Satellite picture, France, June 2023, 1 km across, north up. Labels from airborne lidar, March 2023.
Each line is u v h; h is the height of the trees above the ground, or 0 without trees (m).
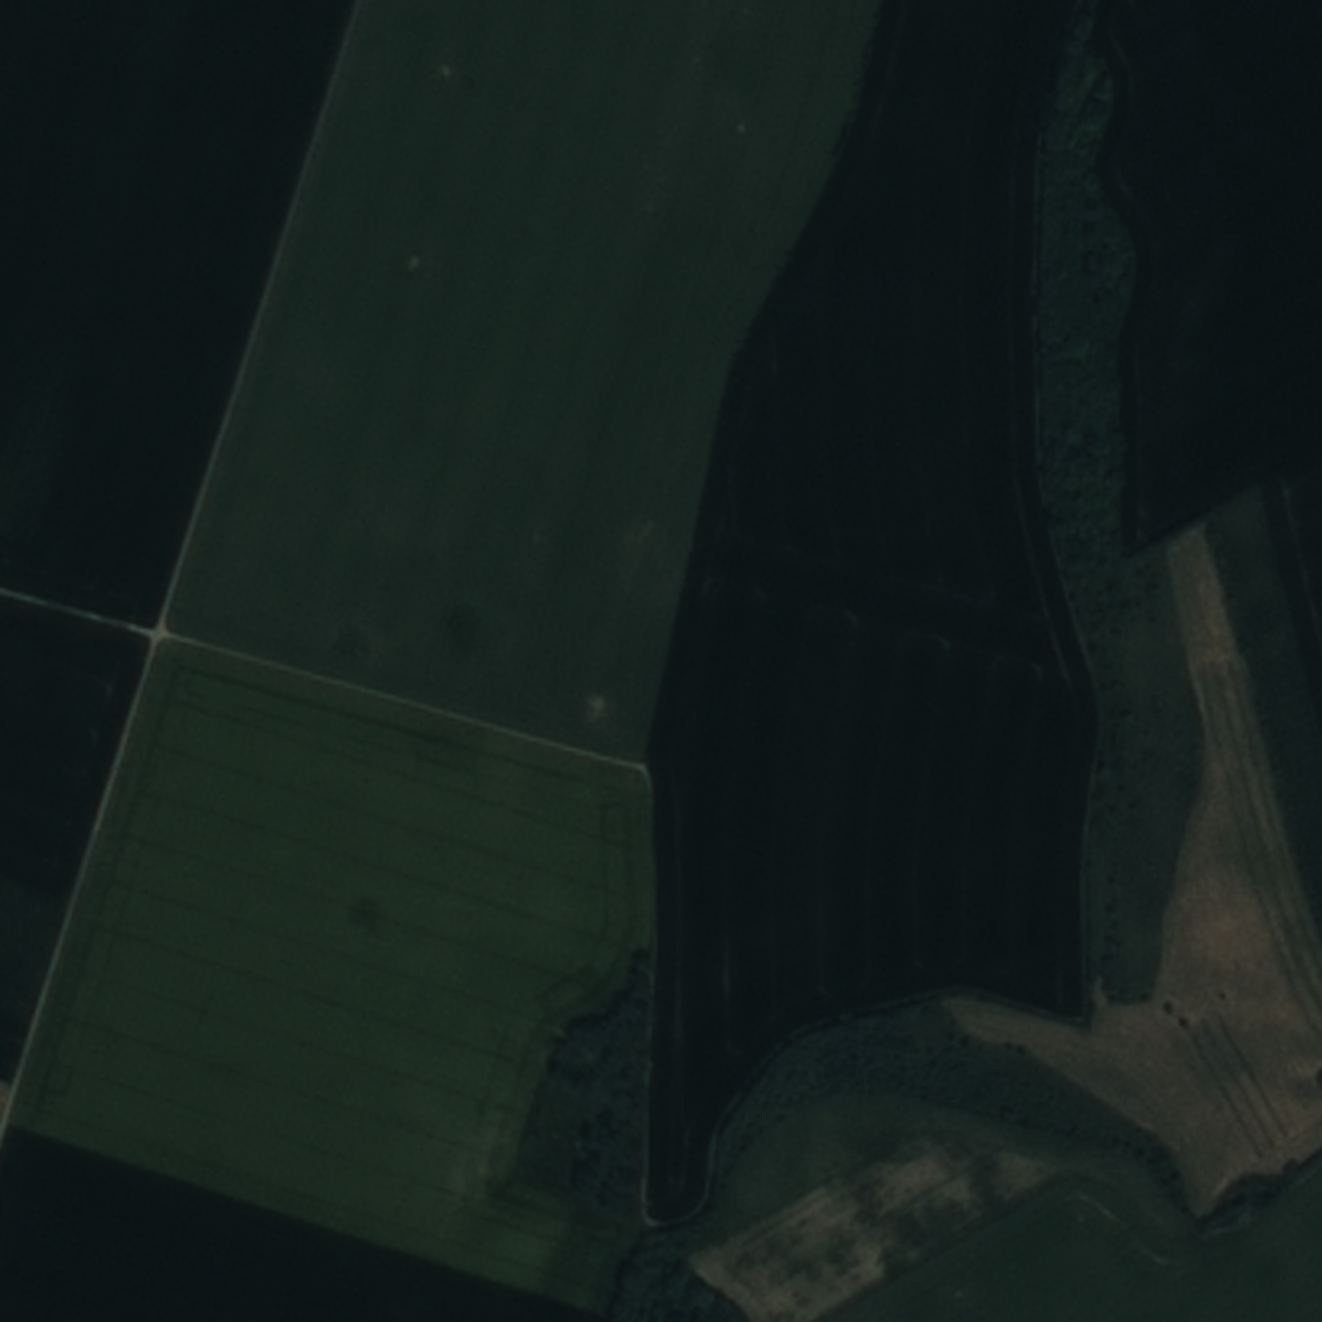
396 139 0
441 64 0
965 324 0
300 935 0
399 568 0
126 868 0
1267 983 0
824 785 0
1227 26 0
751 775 0
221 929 0
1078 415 8
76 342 0
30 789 0
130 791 0
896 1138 0
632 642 0
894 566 0
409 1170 0
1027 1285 0
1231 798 0
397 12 0
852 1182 0
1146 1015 0
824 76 0
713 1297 13
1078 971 0
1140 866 0
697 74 0
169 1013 0
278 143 0
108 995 0
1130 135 0
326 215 0
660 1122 0
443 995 0
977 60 0
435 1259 0
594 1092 12
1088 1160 0
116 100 0
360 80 0
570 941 0
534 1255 0
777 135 0
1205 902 0
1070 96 11
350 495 0
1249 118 0
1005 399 0
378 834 0
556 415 0
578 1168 14
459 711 0
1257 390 0
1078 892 0
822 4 0
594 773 0
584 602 0
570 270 0
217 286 0
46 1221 0
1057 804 0
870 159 0
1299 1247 0
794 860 0
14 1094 0
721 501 0
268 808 0
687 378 0
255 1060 0
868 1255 0
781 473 0
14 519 0
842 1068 6
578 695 0
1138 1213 0
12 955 0
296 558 0
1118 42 0
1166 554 0
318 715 0
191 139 0
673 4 0
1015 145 0
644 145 0
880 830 0
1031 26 0
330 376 0
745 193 0
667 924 0
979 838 0
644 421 0
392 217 0
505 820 0
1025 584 0
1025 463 0
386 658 0
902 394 0
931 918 0
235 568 0
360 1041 0
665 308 0
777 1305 0
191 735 0
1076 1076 0
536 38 0
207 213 0
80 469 0
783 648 0
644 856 0
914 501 0
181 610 0
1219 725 0
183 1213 0
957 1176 0
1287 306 0
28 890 0
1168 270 0
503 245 0
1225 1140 0
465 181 0
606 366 0
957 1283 0
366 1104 0
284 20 0
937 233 0
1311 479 0
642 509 0
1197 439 0
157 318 0
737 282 0
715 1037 0
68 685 0
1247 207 0
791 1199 0
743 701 0
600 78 0
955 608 0
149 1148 0
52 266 0
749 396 0
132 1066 0
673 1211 0
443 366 0
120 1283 0
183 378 0
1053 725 0
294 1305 0
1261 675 0
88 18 0
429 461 0
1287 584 0
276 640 0
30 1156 0
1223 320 0
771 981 0
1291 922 0
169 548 0
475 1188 0
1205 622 0
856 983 0
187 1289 0
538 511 0
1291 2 0
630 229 0
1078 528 9
